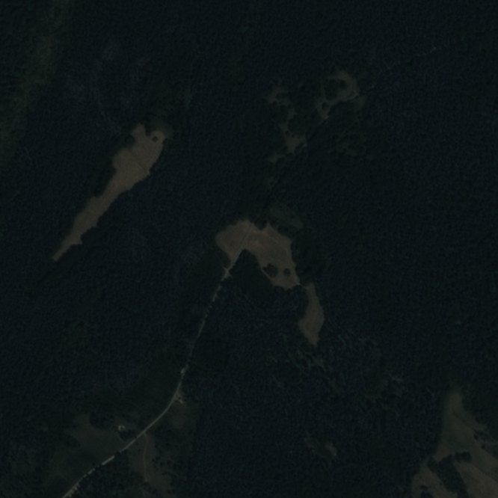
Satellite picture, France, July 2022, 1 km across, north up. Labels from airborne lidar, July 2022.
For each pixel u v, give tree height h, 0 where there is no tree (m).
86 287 23
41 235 22
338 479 19
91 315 19
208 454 23
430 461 9
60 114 26
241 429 24
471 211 18
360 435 18
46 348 20
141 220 23
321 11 11
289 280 0
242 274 10
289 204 14
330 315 14
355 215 21
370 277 23
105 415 10
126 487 13
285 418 25
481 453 0
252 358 23
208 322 18
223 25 20
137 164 0
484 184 24
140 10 19
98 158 14
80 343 20
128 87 26
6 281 25
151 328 18
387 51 22
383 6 21
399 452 16
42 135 25
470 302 13
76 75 29
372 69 28
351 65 12
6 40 21
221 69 13
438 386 10
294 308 24
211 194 19
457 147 28
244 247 0
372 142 12
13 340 30
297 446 26
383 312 19
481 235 20
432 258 20
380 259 14
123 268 21
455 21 23
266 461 18
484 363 16
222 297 21
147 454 0
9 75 18
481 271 15
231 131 25
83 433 0
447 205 18
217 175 26
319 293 11
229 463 22
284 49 21
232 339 18
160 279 20
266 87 17
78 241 0
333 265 24
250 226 0
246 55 24
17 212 24
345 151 7
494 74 16
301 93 16
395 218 21
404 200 22
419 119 23
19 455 21
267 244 0
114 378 21
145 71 20
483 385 16
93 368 19
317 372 19
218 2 23
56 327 25
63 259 14
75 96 24
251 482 25
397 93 24
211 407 22
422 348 20
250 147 16
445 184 26
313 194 24
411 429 23
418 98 23
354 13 23
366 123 9
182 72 6
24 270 26
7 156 20
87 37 24
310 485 20
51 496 0
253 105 13
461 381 15
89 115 24
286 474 18
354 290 19
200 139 22
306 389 26
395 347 26
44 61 8
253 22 12
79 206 17
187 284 6
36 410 22
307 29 20
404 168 21
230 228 0
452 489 13
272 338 26
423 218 17
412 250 19
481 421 11
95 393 10
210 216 20
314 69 15
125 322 22
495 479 0
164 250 17
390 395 21
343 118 10
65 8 18
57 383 21
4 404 23
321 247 18
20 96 12
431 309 17
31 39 17
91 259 27
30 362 25
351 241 19
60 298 33
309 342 9
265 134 12
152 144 0
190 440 0
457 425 0
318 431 24
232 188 18
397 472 8
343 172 21
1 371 26
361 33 18
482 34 20
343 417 6
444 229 15
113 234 25
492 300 17
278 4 23
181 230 25
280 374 20
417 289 21
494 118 24
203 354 14
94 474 6
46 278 15
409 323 21
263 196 9
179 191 22
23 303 28
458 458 14
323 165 15
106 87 22
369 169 10
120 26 24
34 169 21
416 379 22
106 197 0
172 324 19
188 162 19
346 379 20
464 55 22
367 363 22
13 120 14
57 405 24
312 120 14
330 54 15
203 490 9
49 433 15
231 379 15
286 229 12
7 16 25
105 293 20
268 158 6
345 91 0
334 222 18
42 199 25
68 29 23
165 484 0
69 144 24
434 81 26
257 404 24
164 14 22
